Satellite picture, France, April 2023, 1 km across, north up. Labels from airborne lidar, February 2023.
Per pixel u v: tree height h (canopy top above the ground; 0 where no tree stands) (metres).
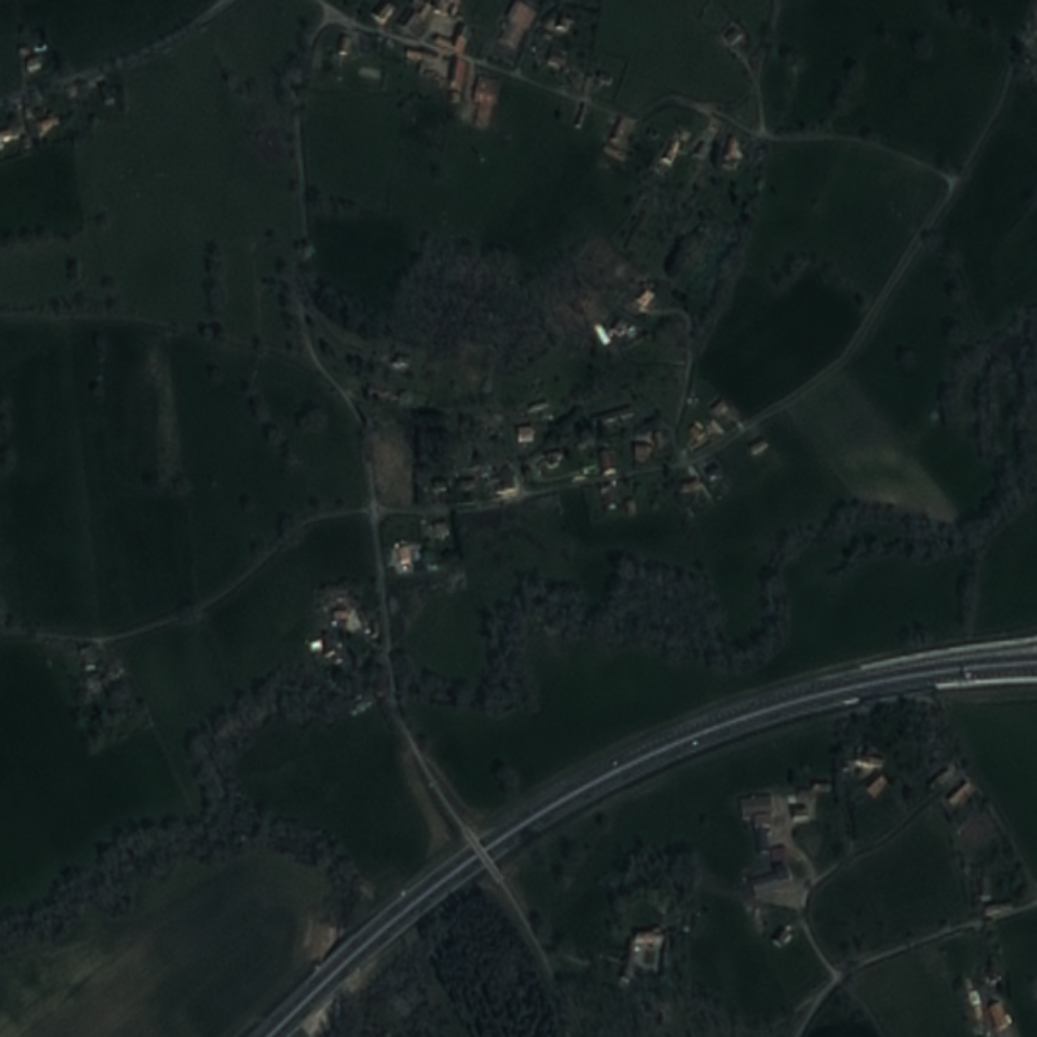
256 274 0
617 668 0
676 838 0
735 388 0
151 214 0
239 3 0
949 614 0
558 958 10
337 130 0
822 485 0
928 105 0
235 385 0
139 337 0
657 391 0
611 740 0
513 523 0
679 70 0
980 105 0
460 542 8
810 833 0
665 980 13
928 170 0
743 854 0
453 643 0
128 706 10
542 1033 15
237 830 13
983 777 0
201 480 0
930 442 0
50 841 0
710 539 0
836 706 0
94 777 0
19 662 0
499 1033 13
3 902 0
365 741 0
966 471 0
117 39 0
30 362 0
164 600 0
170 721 0
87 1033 0
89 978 0
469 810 0
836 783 8
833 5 0
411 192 0
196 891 0
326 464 0
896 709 11
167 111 0
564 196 0
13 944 23
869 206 0
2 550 0
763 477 0
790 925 0
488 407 19
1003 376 11
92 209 0
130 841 23
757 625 0
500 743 0
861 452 0
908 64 0
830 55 0
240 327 0
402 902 0
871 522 11
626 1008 13
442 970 15
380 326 20
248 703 16
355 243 0
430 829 0
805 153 0
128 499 0
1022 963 0
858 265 0
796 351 0
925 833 0
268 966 0
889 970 0
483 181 0
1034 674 0
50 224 0
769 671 0
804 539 12
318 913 0
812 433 0
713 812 0
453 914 13
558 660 0
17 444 0
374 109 0
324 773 0
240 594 0
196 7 0
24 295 0
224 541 0
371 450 15
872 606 0
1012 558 0
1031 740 0
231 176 0
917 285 0
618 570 25
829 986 0
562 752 0
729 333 0
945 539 20
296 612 0
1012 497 25
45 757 0
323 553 0
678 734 0
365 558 0
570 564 0
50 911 16
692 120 0
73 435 0
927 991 0
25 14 0
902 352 13
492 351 10
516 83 0
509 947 14
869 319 0
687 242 11
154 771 0
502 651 13
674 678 0
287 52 0
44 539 0
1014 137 0
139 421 0
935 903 0
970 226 0
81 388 0
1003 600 0
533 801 0
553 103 0
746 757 0
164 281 0
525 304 12
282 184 0
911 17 0
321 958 0
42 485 0
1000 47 0
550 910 0
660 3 0
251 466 0
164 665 0
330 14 0
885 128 0
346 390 0
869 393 0
